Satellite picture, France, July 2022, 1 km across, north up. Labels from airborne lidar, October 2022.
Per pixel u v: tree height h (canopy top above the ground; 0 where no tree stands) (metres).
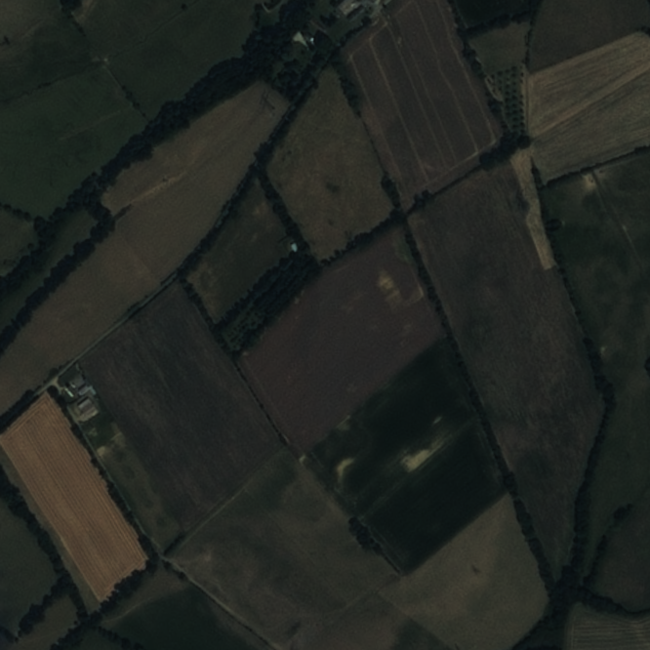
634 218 0
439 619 0
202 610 0
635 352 0
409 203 0
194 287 10
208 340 0
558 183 9
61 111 0
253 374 0
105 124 0
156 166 0
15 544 0
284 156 0
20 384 0
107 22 0
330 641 0
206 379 0
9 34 0
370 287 0
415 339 0
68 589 24
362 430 0
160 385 0
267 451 0
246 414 0
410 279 0
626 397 0
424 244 0
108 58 0
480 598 0
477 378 0
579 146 0
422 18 0
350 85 19
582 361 0
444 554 0
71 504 0
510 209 0
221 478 0
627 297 0
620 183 0
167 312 0
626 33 0
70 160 0
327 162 0
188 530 0
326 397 0
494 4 0
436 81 0
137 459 0
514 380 0
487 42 0
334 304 0
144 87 0
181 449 0
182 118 19
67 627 0
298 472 0
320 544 0
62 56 0
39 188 0
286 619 0
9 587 0
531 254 0
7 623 0
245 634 0
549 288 0
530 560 0
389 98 0
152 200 0
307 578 0
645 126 0
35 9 0
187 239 0
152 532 0
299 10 28
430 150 0
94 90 0
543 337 0
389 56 0
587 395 0
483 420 9
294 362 0
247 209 0
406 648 0
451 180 0
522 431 0
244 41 0
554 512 0
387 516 0
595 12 0
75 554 0
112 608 18
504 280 0
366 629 0
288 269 20
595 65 0
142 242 0
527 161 0
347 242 0
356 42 0
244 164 0
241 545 0
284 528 0
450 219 0
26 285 0
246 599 0
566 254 0
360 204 0
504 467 15
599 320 0
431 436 0
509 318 0
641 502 0
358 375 0
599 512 0
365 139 0
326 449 0
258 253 0
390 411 0
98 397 0
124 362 0
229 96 12
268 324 16
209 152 0
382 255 0
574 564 18
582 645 0
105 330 0
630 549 0
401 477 0
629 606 0
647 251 0
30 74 0
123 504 12
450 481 0
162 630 0
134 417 0
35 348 0
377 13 0
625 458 0
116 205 0
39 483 0
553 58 0
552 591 19
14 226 0
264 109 0
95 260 0
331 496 0
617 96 0
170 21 0
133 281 0
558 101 0
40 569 0
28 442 0
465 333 0
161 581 0
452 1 10
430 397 0
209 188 0
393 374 0
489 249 0
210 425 0
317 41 17
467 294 0
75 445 0
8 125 0
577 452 0
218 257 0
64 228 0
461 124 0
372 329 0
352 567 0
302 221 0
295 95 15
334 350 0
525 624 0
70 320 0
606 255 0
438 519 0
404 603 0
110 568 0
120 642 11
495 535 0
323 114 0
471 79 0
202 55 0
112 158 0
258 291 17
